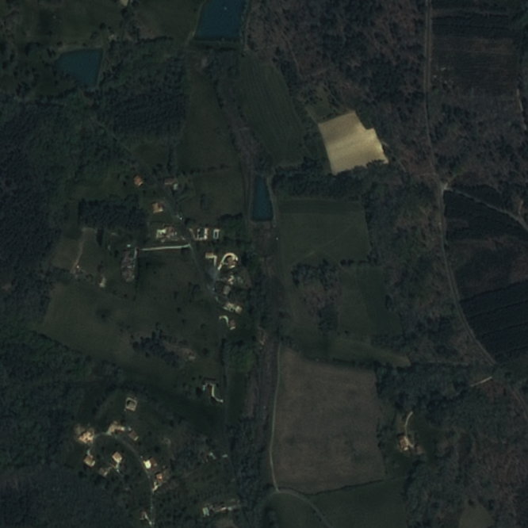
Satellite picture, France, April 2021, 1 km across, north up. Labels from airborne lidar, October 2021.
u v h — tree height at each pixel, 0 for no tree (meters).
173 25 0
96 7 0
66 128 28
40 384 23
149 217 15
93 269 0
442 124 15
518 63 18
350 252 0
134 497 10
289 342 14
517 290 11
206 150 0
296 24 10
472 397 14
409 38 10
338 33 22
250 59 0
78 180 14
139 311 0
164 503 7
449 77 16
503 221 14
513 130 13
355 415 0
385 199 33
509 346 12
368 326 0
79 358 19
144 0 0
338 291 0
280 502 0
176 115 19
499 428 15
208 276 0
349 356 0
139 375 0
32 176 31
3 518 19
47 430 20
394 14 8
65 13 0
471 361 17
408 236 15
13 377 21
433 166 9
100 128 22
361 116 23
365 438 0
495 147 14
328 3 8
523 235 12
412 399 20
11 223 21
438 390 20
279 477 0
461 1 29
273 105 0
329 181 41
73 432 0
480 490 20
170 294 0
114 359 0
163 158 0
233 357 21
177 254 0
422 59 11
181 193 14
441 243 9
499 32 31
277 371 0
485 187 11
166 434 0
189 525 17
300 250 0
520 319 11
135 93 7
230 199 0
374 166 20
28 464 13
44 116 17
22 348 24
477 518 0
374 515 0
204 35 0
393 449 0
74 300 0
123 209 11
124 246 0
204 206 13
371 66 24
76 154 26
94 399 0
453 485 19
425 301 15
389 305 15
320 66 6
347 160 31
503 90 13
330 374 0
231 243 26
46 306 16
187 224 18
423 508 17
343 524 0
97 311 0
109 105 15
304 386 0
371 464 0
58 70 10
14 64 11
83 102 20
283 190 30
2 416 22
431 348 18
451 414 12
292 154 0
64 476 15
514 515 11
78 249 0
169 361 18
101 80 0
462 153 15
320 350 0
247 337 0
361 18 22
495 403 8
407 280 21
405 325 12
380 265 7
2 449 9
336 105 14
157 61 29
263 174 17
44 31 0
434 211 12
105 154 26
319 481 0
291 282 0
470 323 11
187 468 19
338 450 0
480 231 12
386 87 14
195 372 0
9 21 14
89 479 13
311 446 0
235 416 0
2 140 24
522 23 31
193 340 0
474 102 17
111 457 6
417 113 17
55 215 36
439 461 18
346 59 26
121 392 9
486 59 17
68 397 13
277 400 0
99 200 8
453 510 21
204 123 0
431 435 0
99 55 0
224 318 0
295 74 16
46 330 0
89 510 16
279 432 0
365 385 0
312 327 0
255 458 7
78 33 0
